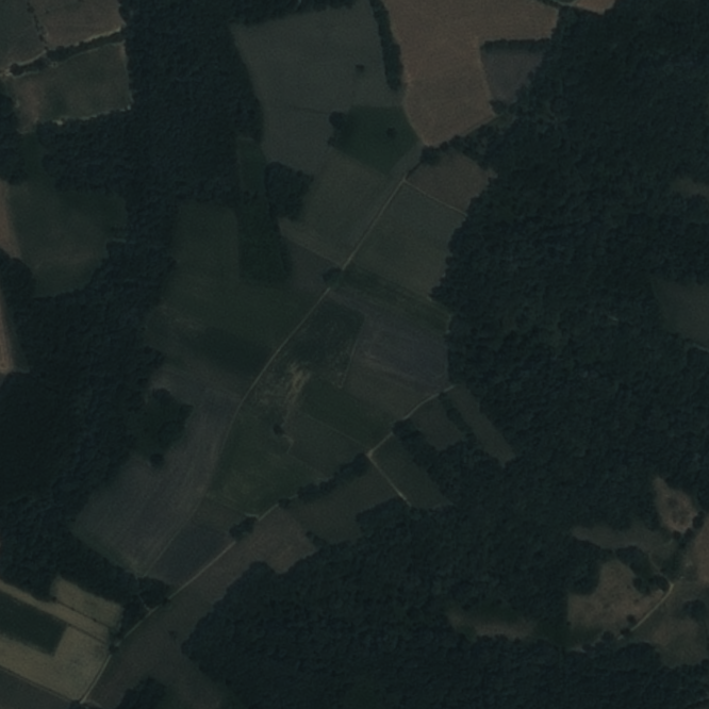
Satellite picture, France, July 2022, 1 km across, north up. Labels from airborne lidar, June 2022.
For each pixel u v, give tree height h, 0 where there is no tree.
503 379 27
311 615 24
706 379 16
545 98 17
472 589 26
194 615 0
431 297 11
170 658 0
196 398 0
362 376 0
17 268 17
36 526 21
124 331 21
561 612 26
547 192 15
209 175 21
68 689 0
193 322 0
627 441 25
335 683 15
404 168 0
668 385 18
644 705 20
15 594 0
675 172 20
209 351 0
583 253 25
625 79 26
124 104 0
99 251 0
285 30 0
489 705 22
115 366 18
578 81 25
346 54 0
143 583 13
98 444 17
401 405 0
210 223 0
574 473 22
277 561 0
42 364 16
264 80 0
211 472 0
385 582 8
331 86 0
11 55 0
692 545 0
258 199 8
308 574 20
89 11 0
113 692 0
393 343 0
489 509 19
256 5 16
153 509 0
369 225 0
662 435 25
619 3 16
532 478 17
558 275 21
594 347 29
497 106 13
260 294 0
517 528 18
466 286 13
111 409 21
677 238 17
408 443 20
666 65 30
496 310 23
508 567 22
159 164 15
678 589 0
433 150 15
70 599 0
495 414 16
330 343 0
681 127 23
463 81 0
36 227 0
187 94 20
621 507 24
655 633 0
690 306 0
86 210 0
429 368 0
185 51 18
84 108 0
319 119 0
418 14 0
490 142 9
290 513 0
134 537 0
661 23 24
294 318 0
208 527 0
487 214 17
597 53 24
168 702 0
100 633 0
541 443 21
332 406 0
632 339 23
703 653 0
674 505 0
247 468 0
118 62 0
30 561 22
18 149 11
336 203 0
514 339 18
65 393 16
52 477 16
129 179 23
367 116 0
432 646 26
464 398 0
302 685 23
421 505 0
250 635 25
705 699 7
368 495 0
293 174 16
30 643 0
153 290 11
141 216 23
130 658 0
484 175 0
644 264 12
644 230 21
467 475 20
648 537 0
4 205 0
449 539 29
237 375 0
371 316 0
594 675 12
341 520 0
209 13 14
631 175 29
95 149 10
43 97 0
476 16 0
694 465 25
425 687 20
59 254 0
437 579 26
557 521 22
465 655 24
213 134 16
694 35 25
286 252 6
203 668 15
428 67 0
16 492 18
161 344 0
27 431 17
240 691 16
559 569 18
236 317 0
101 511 0
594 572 24
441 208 0
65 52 10
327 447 0
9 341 0
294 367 0
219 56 15
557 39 13
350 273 0
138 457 0
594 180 30
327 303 0
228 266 0
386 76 7
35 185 0
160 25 26
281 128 0
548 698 21
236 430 0
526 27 0
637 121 14
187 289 0
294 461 0
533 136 26
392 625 27
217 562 0
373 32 0
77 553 13
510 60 0
